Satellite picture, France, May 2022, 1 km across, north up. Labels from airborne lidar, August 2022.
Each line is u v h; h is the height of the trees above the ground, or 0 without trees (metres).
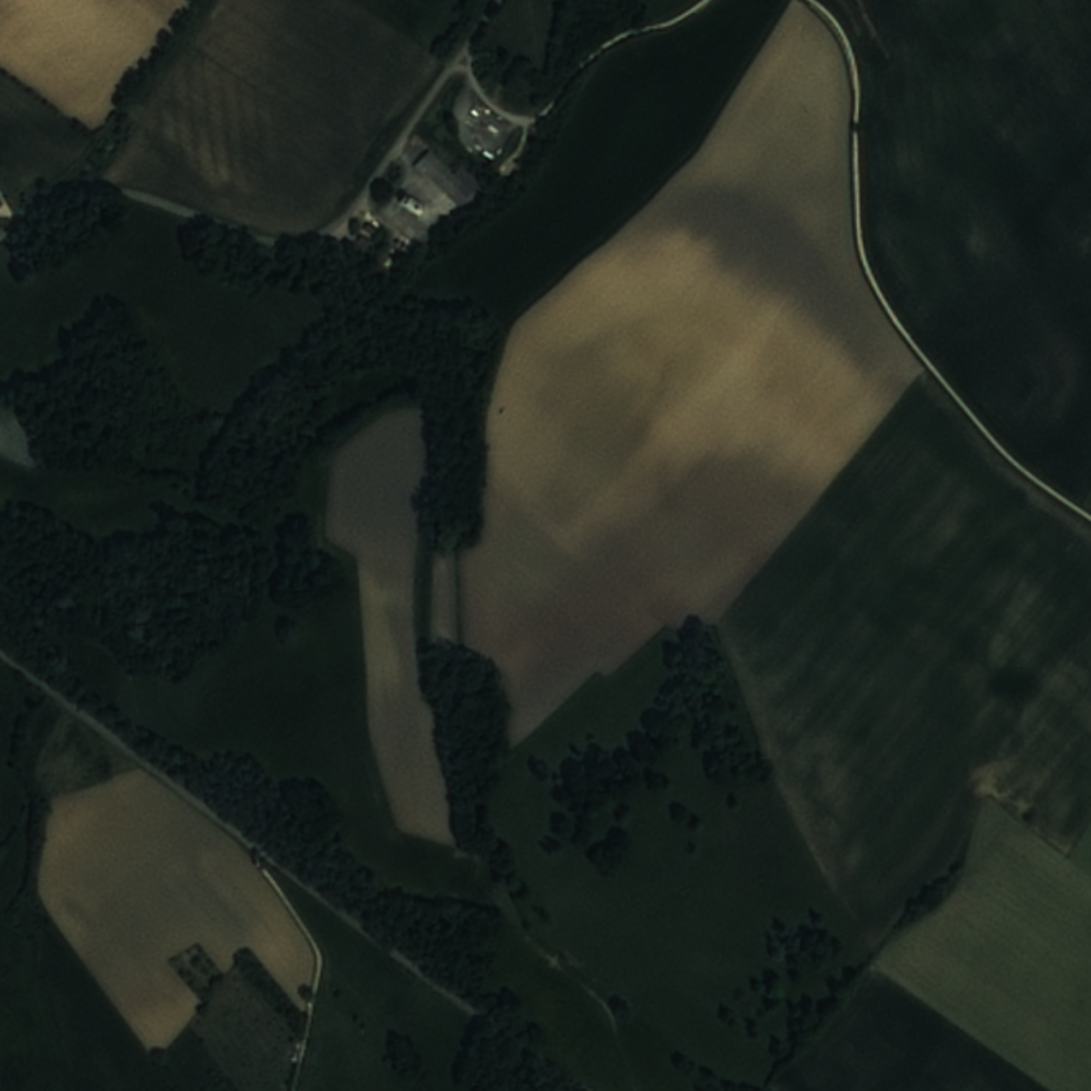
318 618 0
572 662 0
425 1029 0
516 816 0
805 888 0
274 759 0
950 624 0
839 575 0
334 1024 0
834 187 0
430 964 12
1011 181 0
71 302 0
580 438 0
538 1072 21
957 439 0
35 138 0
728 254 0
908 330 0
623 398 0
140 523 0
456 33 7
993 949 0
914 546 0
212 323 0
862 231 0
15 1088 0
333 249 25
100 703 18
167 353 0
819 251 0
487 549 0
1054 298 0
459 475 27
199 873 0
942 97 0
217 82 0
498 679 23
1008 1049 0
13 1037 0
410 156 0
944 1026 0
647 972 0
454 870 0
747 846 0
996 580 0
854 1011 0
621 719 0
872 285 0
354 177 0
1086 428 0
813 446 0
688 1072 20
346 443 0
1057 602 0
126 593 16
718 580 0
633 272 0
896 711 0
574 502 0
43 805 11
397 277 16
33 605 20
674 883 0
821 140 0
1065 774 0
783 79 0
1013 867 0
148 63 9
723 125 0
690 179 0
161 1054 13
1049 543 0
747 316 0
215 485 24
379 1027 0
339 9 0
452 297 0
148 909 0
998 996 0
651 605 0
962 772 0
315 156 0
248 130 0
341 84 0
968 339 0
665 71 0
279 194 0
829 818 0
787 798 0
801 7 0
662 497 0
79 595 18
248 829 21
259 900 0
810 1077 0
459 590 0
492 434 0
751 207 0
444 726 18
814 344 0
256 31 0
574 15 13
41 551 21
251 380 0
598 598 0
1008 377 0
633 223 0
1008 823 0
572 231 0
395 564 0
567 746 0
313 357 22
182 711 0
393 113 0
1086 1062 0
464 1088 12
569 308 0
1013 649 0
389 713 0
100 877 0
